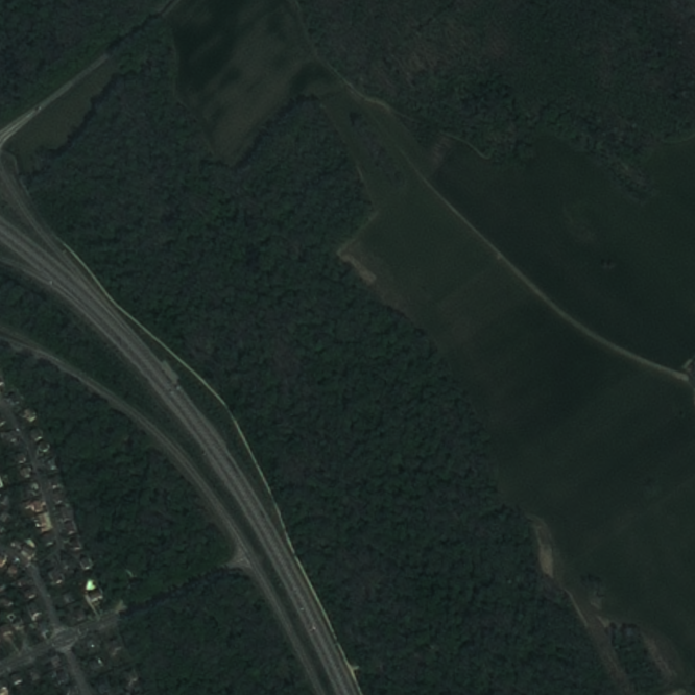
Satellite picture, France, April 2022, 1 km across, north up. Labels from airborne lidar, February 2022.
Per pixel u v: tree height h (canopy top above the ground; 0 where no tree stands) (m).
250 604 26
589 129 28
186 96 0
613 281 0
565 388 0
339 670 0
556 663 27
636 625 0
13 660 0
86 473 26
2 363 20
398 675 28
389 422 30
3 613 12
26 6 27
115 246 26
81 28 24
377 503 29
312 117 29
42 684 7
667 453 0
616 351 0
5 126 0
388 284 0
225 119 0
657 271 0
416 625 29
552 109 22
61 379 28
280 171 17
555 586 28
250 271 28
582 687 27
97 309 0
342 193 28
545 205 0
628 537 0
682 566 0
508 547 20
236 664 26
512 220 0
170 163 29
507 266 0
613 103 20
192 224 23
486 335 0
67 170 26
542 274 0
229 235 24
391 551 25
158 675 27
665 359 0
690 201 0
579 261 0
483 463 26
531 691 29
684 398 0
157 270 26
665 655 0
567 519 0
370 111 0
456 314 0
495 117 25
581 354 0
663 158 0
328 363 26
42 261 0
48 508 0
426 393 24
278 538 0
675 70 20
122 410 0
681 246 0
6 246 0
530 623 21
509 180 0
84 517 27
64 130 0
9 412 0
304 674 26
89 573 8
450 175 0
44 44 27
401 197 0
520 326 0
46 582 6
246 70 0
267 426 24
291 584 0
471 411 24
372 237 0
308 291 26
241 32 0
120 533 20
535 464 0
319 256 28
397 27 15
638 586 0
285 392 30
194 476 0
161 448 0
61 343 21
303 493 25
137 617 25
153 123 29
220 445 0
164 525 27
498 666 28
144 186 27
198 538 26
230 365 31
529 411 0
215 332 30
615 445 0
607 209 0
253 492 0
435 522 28
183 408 0
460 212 0
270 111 0
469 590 24
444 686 21
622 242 0
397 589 24
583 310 0
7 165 0
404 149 0
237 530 0
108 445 27
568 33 17
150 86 26
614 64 21
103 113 29
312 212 30
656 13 14
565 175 0
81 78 0
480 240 0
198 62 0
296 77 0
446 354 0
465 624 19
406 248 0
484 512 29
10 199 0
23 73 29
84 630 0
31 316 24
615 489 0
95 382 0
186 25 0
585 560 0
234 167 0
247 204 28
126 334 0
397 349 26
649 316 0
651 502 0
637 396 0
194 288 24
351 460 22
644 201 22
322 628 0
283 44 0
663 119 19
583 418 0
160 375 0
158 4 24
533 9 21
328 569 25
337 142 19
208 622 26
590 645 23
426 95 24
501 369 0
